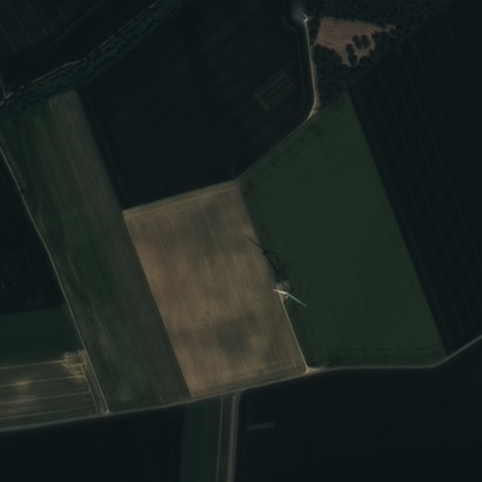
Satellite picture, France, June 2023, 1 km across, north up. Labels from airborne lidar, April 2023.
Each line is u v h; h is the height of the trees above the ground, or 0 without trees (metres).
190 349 0
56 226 0
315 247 0
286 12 0
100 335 0
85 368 0
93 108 0
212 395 0
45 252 0
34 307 0
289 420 0
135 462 0
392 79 0
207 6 0
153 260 0
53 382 0
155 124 0
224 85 0
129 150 0
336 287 0
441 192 0
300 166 0
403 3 24
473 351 0
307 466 0
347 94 0
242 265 0
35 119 0
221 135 0
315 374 0
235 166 0
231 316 0
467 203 0
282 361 0
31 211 0
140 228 0
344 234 0
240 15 0
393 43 17
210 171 0
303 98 0
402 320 0
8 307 0
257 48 0
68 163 0
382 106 0
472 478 0
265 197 0
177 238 0
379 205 0
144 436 0
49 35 0
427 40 0
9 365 0
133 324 0
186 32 0
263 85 0
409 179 0
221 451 0
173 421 0
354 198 0
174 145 0
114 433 0
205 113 0
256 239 0
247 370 0
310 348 0
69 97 0
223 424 0
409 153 0
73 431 0
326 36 0
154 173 0
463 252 0
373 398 0
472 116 0
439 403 0
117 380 0
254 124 0
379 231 0
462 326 0
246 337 0
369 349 0
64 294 0
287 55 0
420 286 0
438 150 0
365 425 0
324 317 0
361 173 0
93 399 0
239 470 0
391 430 0
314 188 0
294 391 0
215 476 0
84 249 0
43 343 0
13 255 0
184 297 0
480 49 0
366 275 0
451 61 0
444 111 0
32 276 0
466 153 0
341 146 0
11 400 0
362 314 0
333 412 0
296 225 0
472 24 0
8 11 0
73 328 0
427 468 0
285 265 0
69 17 0
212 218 0
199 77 0
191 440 0
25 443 0
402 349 0
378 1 12
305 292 0
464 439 0
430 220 0
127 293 0
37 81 0
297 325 0
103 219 0
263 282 0
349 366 0
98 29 0
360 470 0
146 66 0
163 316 0
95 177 0
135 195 0
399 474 0
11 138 0
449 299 0
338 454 0
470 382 0
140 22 7
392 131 0
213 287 0
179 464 0
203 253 0
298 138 0
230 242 0
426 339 0
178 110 0
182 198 0
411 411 0
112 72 0
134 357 0
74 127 0
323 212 0
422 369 0
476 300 0
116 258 0
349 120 0
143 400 0
